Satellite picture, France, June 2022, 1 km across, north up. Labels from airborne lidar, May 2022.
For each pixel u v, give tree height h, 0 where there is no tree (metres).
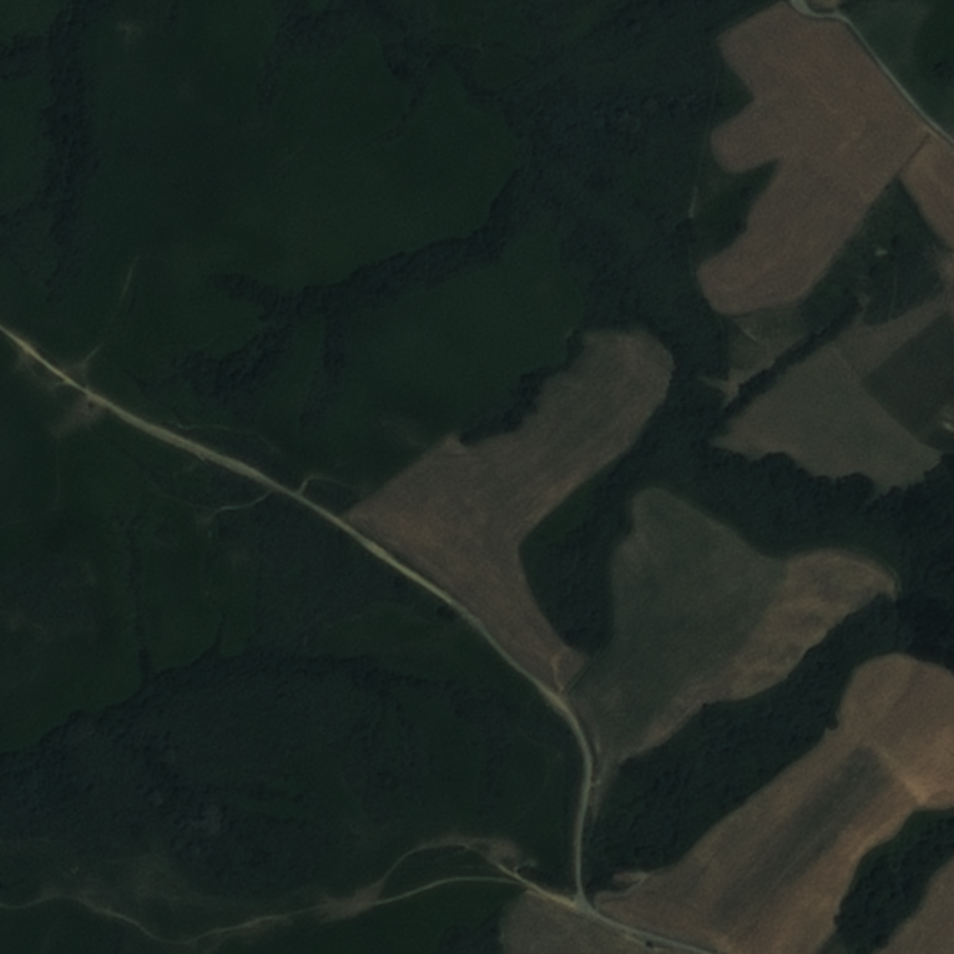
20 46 8
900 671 0
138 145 0
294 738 0
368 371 0
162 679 10
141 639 7
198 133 0
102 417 0
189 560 0
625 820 7
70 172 13
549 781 0
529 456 0
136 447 0
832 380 0
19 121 0
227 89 0
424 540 0
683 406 7
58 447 0
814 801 0
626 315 9
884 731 0
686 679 0
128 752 6
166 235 0
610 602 0
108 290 0
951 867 0
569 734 6
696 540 0
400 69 13
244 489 6
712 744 10
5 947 0
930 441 0
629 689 0
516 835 0
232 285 11
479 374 0
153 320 0
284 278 0
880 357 0
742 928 0
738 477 6
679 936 0
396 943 0
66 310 0
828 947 0
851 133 0
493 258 8
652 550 0
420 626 0
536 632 0
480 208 0
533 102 7
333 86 0
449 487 0
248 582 0
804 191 0
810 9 0
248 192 0
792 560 0
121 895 0
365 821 0
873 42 0
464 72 10
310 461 0
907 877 16
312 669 12
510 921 0
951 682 0
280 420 0
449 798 0
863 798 0
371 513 0
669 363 0
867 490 14
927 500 9
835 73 0
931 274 0
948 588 9
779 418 0
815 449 0
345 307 13
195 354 6
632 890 0
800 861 0
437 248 12
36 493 0
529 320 0
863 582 0
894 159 0
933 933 0
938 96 0
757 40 0
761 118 0
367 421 0
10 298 0
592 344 0
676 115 14
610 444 0
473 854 0
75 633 0
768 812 0
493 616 0
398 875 0
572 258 12
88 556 0
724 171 0
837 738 0
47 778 7
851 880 0
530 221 6
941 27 0
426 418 0
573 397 0
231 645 0
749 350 0
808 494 8
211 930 0
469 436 6
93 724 15
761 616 0
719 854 0
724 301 0
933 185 0
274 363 10
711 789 8
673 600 0
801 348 7
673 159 0
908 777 0
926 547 11
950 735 0
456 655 0
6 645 0
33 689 0
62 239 8
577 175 5
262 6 0
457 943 12
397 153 0
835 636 14
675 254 6
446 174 0
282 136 0
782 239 0
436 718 0
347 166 0
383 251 0
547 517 0
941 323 0
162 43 0
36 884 0
